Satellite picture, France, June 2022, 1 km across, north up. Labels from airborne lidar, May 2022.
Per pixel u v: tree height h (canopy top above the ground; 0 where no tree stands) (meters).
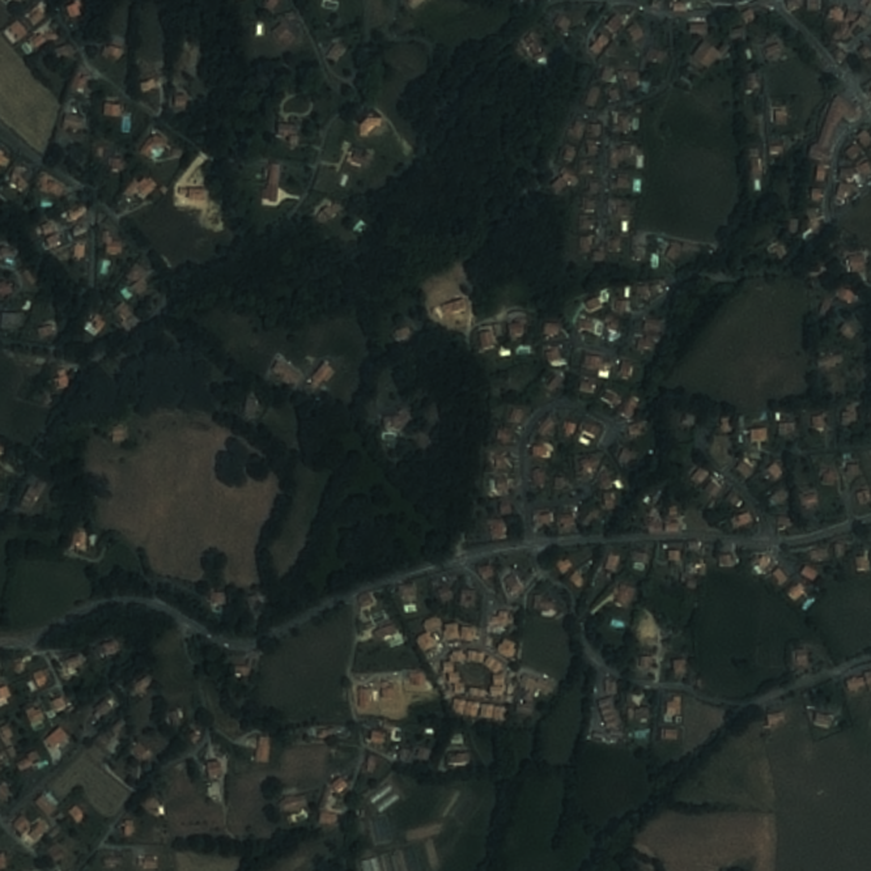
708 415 15
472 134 18
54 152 19
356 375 0
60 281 23
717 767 0
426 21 0
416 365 16
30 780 0
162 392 16
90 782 0
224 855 12
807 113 0
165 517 0
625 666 17
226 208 14
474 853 0
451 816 0
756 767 0
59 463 18
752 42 10
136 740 6
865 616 0
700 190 0
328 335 0
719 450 0
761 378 0
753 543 0
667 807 10
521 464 0
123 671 12
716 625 0
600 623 10
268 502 0
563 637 0
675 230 0
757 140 8
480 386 16
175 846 8
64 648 17
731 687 0
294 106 0
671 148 0
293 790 0
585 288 11
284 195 0
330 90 20
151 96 0
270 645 18
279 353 0
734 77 6
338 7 0
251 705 15
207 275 19
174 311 22
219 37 21
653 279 6
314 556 16
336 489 16
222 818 0
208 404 16
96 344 12
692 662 8
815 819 0
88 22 19
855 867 0
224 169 24
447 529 19
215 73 18
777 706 0
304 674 0
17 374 0
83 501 23
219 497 0
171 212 0
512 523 9
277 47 0
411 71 0
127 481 0
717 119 0
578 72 30
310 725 10
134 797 11
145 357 16
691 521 0
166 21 15
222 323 0
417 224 24
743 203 10
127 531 0
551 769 17
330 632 0
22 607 0
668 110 0
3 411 0
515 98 28
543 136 11
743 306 0
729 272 9
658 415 26
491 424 10
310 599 20
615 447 6
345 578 18
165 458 0
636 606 9
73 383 14
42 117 0
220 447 0
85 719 0
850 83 0
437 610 9
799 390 0
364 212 15
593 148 0
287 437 0
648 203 0
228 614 15
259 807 0
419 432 10
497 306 0
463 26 0
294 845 18
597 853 16
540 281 20
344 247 7
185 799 0
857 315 11
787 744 0
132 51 10
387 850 0
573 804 15
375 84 25
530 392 8
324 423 19
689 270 7
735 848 0
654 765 11
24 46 0
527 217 26
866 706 0
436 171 17
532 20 18
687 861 0
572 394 10
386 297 28
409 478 18
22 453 8
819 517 8
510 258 19
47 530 15
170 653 0
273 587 20
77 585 0
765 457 10
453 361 13
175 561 0
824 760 0
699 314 15
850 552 8
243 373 16
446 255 34
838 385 0
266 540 14
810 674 6
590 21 7
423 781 19
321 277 9
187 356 18
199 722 14
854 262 0
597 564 9
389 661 0
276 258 22
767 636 0
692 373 0
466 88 27
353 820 18
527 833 0
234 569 0
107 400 18
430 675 16
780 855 0
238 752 6
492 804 0
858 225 0
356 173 0
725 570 0
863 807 0
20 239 18
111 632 16
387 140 0
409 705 0
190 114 16
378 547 21
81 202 8
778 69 0
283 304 17
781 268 11
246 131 7
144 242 11
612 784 0
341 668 0
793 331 0
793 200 7
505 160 21
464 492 12
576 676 16
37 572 0
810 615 6
